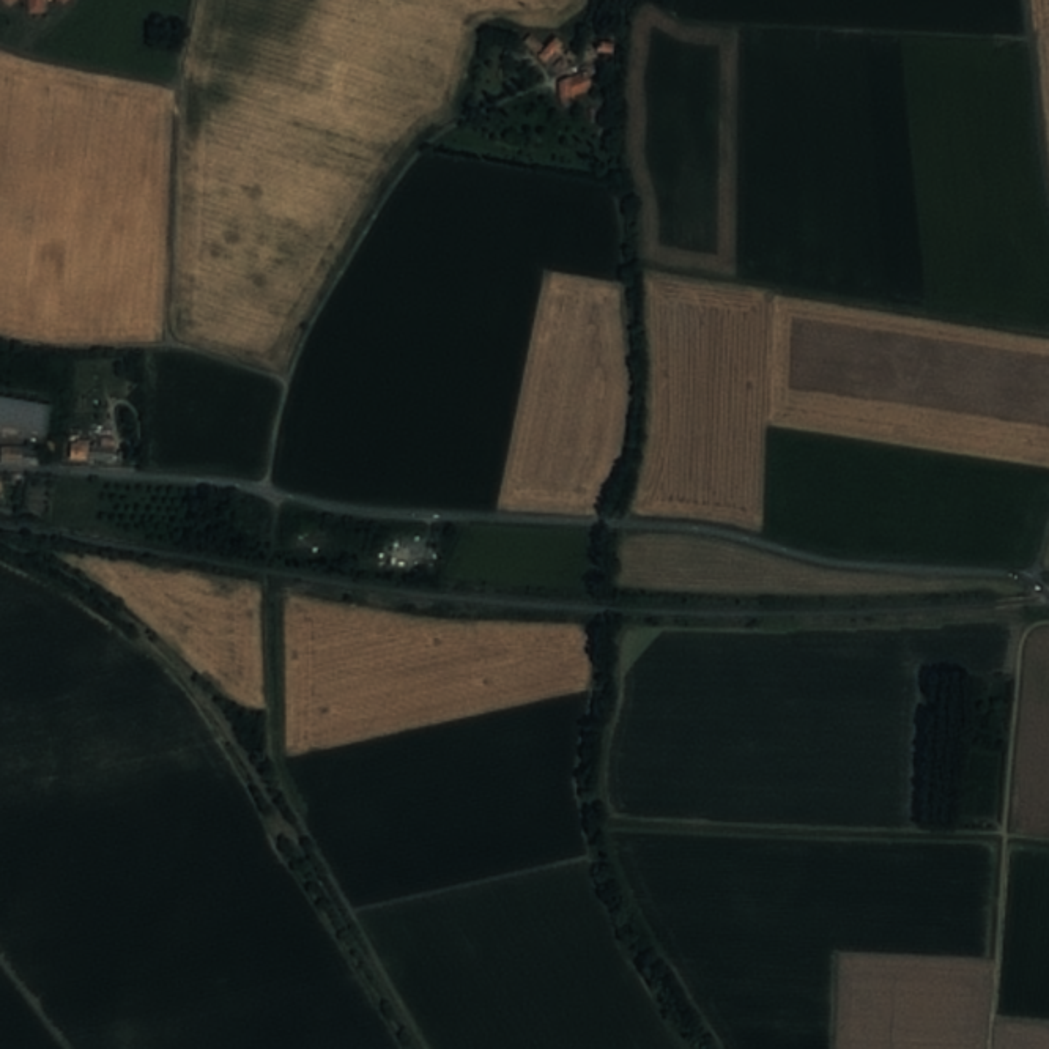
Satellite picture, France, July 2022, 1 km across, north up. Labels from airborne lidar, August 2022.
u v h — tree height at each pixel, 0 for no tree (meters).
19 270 0
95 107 0
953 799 30
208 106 0
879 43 0
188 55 0
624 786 0
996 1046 0
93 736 0
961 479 0
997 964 0
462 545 0
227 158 0
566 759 0
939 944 0
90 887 0
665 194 0
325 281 0
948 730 32
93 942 0
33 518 12
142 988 0
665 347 0
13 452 0
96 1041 0
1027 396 0
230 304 0
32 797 0
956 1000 0
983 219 0
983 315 0
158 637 7
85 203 0
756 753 0
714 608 0
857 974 0
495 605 0
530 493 0
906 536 0
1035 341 0
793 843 0
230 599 0
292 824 9
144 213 0
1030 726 0
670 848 0
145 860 0
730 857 0
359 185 0
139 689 0
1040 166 0
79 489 0
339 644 0
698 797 0
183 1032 0
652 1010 0
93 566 0
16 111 0
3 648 0
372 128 0
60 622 0
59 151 0
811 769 0
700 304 0
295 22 0
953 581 0
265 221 0
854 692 0
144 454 22
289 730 0
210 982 0
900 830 0
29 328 0
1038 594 0
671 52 0
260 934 0
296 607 0
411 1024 0
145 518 8
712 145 0
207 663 0
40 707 0
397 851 0
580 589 0
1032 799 0
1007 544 0
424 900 0
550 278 0
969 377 0
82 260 0
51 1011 0
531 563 0
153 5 0
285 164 0
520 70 10
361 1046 0
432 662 0
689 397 0
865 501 0
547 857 0
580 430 0
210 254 0
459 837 0
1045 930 0
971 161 0
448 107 0
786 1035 0
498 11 0
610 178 11
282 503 0
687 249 0
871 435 0
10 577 0
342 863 0
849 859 0
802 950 0
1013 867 0
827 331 0
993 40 0
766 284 0
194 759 0
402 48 0
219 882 0
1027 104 0
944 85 0
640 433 17
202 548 19
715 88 0
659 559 0
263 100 0
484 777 0
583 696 0
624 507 15
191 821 0
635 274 15
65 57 0
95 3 0
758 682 0
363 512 0
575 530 0
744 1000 0
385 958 0
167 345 0
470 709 0
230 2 0
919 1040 0
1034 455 0
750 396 0
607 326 0
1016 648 0
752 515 0
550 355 0
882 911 0
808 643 0
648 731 0
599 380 0
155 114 0
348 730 0
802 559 0
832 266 0
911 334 0
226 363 0
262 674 0
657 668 0
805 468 0
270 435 0
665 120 0
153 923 0
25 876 0
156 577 0
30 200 0
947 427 0
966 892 0
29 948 0
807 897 0
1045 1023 0
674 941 0
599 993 0
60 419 8
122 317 0
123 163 0
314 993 0
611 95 17
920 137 0
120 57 0
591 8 7
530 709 0
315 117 0
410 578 11
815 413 0
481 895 0
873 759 0
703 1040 13
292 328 0
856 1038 0
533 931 0
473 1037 0
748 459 0
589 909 0
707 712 0
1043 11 0
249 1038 0
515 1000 0
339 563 13
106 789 0
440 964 0
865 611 0
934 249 0
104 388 0
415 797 0
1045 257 0
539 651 0
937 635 0
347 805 0
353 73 0
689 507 0
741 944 0
